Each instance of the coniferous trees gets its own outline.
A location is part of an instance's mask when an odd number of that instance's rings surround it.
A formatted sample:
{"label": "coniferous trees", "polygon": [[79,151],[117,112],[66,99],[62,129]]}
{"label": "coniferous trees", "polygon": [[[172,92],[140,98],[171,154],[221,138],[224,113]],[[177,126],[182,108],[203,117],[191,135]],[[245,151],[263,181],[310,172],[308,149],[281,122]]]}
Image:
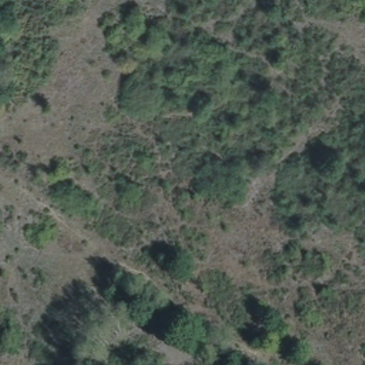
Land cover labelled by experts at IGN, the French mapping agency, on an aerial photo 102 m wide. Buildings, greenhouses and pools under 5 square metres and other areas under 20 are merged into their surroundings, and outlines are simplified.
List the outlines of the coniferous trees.
{"label": "coniferous trees", "polygon": [[27,356],[36,359],[38,365],[100,365],[96,359],[91,358],[97,341],[87,334],[93,328],[90,325],[90,312],[103,314],[101,305],[106,302],[100,298],[94,299],[83,281],[74,279],[71,284],[64,285],[61,297],[54,295],[51,298],[46,311],[37,322],[41,335],[34,334]]}
{"label": "coniferous trees", "polygon": [[104,365],[163,365],[164,354],[150,349],[135,348],[128,341],[121,341],[120,345],[110,345],[107,362]]}

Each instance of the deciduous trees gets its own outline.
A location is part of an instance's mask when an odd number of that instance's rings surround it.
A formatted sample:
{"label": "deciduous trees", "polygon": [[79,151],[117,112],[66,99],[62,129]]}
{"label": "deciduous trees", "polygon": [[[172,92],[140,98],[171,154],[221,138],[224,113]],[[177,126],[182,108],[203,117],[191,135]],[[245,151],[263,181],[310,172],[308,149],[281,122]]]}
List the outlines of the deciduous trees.
{"label": "deciduous trees", "polygon": [[181,254],[174,269],[178,281],[188,282],[194,277],[195,262],[188,252]]}
{"label": "deciduous trees", "polygon": [[135,324],[145,324],[153,317],[155,311],[153,301],[143,299],[135,304],[125,304],[128,319]]}
{"label": "deciduous trees", "polygon": [[279,96],[274,88],[269,88],[262,96],[261,103],[271,114],[277,110]]}
{"label": "deciduous trees", "polygon": [[204,342],[208,341],[208,336],[202,318],[194,312],[188,312],[188,317],[178,321],[173,334],[167,335],[165,344],[190,355],[198,355],[204,351]]}
{"label": "deciduous trees", "polygon": [[325,173],[324,181],[341,180],[349,161],[349,154],[342,153],[334,163],[334,170]]}

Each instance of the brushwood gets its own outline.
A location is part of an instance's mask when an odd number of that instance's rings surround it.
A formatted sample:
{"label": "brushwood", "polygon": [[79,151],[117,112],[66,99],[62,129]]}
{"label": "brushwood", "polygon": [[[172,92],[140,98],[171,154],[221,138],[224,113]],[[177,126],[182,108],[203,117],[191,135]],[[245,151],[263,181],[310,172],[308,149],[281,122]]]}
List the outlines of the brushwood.
{"label": "brushwood", "polygon": [[[141,250],[151,245],[151,242],[164,241],[170,245],[180,244],[181,254],[188,252],[195,262],[197,259],[205,258],[204,252],[198,248],[201,244],[208,245],[207,234],[211,228],[220,227],[225,231],[234,224],[234,221],[244,221],[245,210],[241,205],[244,205],[250,194],[248,184],[255,177],[267,177],[271,171],[277,173],[271,190],[271,200],[279,212],[284,214],[282,221],[287,227],[284,234],[288,235],[288,242],[281,251],[264,250],[261,257],[258,257],[259,264],[269,265],[267,279],[271,289],[252,285],[251,292],[259,304],[268,305],[271,309],[267,315],[267,338],[265,341],[262,338],[254,339],[250,346],[275,352],[279,346],[279,339],[287,335],[294,336],[299,344],[295,354],[285,358],[289,365],[365,365],[365,66],[361,66],[355,57],[336,57],[332,46],[338,34],[334,31],[318,26],[297,30],[294,23],[301,23],[304,17],[311,16],[315,19],[344,23],[348,17],[356,16],[365,24],[365,0],[167,0],[163,16],[145,19],[144,14],[138,13],[140,9],[135,1],[125,1],[110,11],[104,11],[98,17],[98,27],[104,34],[103,48],[111,60],[117,64],[134,61],[137,67],[131,73],[121,74],[117,97],[110,104],[100,101],[101,107],[106,110],[104,117],[108,123],[114,124],[115,131],[104,133],[100,128],[94,128],[83,144],[74,144],[68,155],[54,157],[58,167],[56,173],[47,174],[48,182],[51,184],[48,187],[48,197],[58,202],[58,211],[61,214],[67,218],[86,218],[84,230],[96,231],[101,238],[108,238],[118,247],[137,245]],[[269,88],[274,88],[279,96],[277,110],[271,114],[261,103],[262,96]],[[287,158],[282,155],[284,148],[289,147],[292,150],[294,147],[292,137],[307,134],[309,127],[315,123],[312,110],[318,104],[327,107],[334,101],[335,96],[341,98],[342,115],[339,117],[338,127],[322,131],[317,137],[328,147],[338,147],[342,153],[349,154],[349,161],[341,180],[324,181],[325,173],[315,171],[309,164],[309,158],[304,157],[302,153],[289,154]]]}
{"label": "brushwood", "polygon": [[63,19],[68,16],[84,13],[87,10],[86,0],[0,0],[0,117],[4,111],[16,113],[19,107],[27,103],[27,98],[31,100],[34,94],[47,87],[46,78],[50,76],[51,68],[58,57],[58,40],[50,36],[50,27],[60,26]]}
{"label": "brushwood", "polygon": [[37,248],[44,247],[48,241],[56,240],[58,232],[56,221],[50,217],[50,211],[43,208],[40,211],[29,210],[31,217],[38,218],[38,224],[23,225],[24,238]]}
{"label": "brushwood", "polygon": [[6,341],[4,354],[16,354],[16,349],[21,345],[21,332],[17,322],[10,321],[9,331],[3,335]]}

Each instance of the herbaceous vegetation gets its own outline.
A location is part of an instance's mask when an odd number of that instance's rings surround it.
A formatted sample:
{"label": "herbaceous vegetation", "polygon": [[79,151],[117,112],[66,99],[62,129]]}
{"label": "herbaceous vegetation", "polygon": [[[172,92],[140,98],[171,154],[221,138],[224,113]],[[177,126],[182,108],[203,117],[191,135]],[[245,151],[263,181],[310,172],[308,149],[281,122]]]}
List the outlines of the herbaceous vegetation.
{"label": "herbaceous vegetation", "polygon": [[[58,57],[51,68],[50,76],[46,78],[47,87],[34,94],[31,100],[27,98],[27,103],[19,107],[16,113],[4,111],[0,117],[0,365],[38,365],[36,359],[27,356],[34,334],[41,335],[37,322],[46,311],[51,298],[54,295],[61,297],[64,285],[71,284],[74,279],[83,281],[94,299],[100,298],[106,302],[101,305],[103,314],[90,312],[90,325],[93,328],[87,334],[97,341],[91,358],[96,359],[100,365],[104,365],[107,362],[110,345],[120,345],[121,341],[128,341],[135,348],[150,349],[164,354],[163,365],[289,365],[285,358],[295,354],[299,344],[294,336],[287,335],[279,339],[279,346],[275,352],[250,346],[254,339],[262,338],[265,341],[267,338],[267,315],[271,309],[268,305],[259,304],[251,292],[252,285],[271,289],[267,279],[269,265],[259,264],[258,257],[261,257],[264,250],[281,251],[288,242],[288,235],[284,234],[287,227],[282,221],[284,214],[279,212],[271,200],[271,190],[277,173],[271,171],[267,177],[255,177],[248,184],[250,194],[244,205],[241,205],[245,210],[244,221],[234,221],[234,224],[225,231],[220,227],[211,228],[207,234],[208,245],[201,244],[198,248],[204,252],[205,258],[197,259],[195,262],[194,277],[188,282],[178,281],[174,269],[181,254],[180,244],[170,245],[164,241],[151,242],[151,245],[141,250],[137,245],[118,247],[108,238],[101,238],[96,231],[84,230],[86,218],[67,218],[61,214],[58,211],[58,202],[48,197],[48,187],[51,184],[48,182],[47,174],[56,173],[58,167],[54,157],[68,155],[74,144],[83,144],[94,128],[100,128],[104,133],[115,131],[114,124],[108,123],[104,117],[106,110],[101,107],[100,101],[110,104],[117,97],[121,74],[131,73],[137,67],[134,61],[117,64],[111,60],[103,48],[104,34],[98,27],[98,17],[104,11],[110,11],[125,1],[135,1],[140,9],[138,13],[144,14],[145,19],[163,16],[167,0],[86,0],[87,10],[84,13],[68,16],[63,19],[60,26],[50,27],[50,36],[58,40]],[[50,211],[50,217],[56,221],[58,232],[56,240],[48,241],[44,247],[37,248],[24,238],[23,225],[38,224],[38,218],[31,217],[29,210],[40,211],[43,208]],[[155,311],[153,317],[145,324],[135,324],[128,319],[125,304],[135,304],[143,299],[153,301]],[[204,351],[198,355],[190,355],[165,344],[167,335],[173,334],[178,321],[188,317],[188,312],[194,312],[202,318],[208,336],[208,341],[204,342]],[[3,335],[9,331],[10,321],[17,322],[21,332],[21,345],[16,349],[16,354],[4,354],[6,341]]]}
{"label": "herbaceous vegetation", "polygon": [[344,23],[315,19],[311,16],[304,17],[301,23],[294,23],[297,30],[318,26],[334,31],[338,34],[332,46],[336,57],[355,57],[361,66],[365,66],[365,24],[356,16],[348,17]]}
{"label": "herbaceous vegetation", "polygon": [[315,171],[325,173],[334,170],[334,163],[342,153],[338,147],[328,147],[317,137],[322,131],[338,127],[339,117],[342,115],[341,98],[335,96],[334,101],[327,107],[318,104],[312,110],[315,123],[309,127],[307,134],[292,137],[294,147],[292,150],[289,147],[284,148],[282,155],[287,158],[289,154],[302,153],[304,157],[309,158],[309,164]]}

